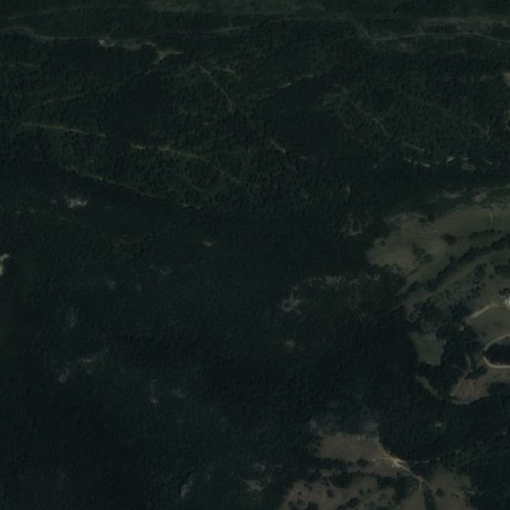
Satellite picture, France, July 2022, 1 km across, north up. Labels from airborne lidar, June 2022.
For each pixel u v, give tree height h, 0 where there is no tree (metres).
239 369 16
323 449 0
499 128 14
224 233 20
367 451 0
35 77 16
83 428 17
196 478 6
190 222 13
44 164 20
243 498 7
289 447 10
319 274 8
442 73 9
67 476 7
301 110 7
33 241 20
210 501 15
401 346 21
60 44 17
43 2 10
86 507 16
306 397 14
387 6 8
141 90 20
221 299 11
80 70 14
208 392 14
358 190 15
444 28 10
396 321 16
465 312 14
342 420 8
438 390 15
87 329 17
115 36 10
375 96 15
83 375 14
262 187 8
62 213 11
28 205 9
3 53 16
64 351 11
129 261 7
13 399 20
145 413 9
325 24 10
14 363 18
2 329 7
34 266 8
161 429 10
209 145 6
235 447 8
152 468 11
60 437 10
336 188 17
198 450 9
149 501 9
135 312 14
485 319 0
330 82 12
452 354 16
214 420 6
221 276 11
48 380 8
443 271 9
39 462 19
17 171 17
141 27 8
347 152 8
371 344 15
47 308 12
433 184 10
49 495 11
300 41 12
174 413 11
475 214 0
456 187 10
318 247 16
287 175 12
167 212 17
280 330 8
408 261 0
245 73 8
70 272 16
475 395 0
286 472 11
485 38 9
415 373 18
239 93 6
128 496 22
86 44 12
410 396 13
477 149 10
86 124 17
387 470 0
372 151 12
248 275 11
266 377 12
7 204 12
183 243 11
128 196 19
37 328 11
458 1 15
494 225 0
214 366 18
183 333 19
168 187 10
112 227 14
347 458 0
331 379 16
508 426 17
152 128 8
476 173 13
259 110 13
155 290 8
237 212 15
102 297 11
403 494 13
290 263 16
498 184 13
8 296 13
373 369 11
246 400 11
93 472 17
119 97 15
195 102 15
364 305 10
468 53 8
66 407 15
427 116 11
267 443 9
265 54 8
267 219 21
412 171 14
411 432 12
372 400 14
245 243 18
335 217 13
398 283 12
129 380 7
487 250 13
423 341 0
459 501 0
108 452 24
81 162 9
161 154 12
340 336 15
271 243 19
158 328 18
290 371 15
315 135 14
